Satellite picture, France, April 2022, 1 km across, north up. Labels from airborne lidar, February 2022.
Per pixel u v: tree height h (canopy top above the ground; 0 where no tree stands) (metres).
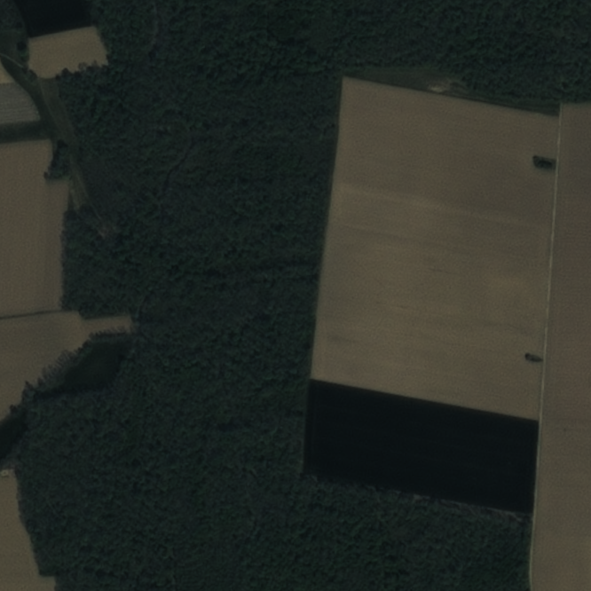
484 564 12
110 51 14
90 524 26
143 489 21
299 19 7
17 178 0
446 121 0
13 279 0
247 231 26
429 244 0
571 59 16
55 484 24
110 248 28
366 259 0
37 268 0
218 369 21
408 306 0
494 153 0
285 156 7
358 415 0
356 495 16
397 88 0
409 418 0
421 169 0
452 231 0
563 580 0
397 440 0
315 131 26
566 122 0
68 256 19
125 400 19
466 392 0
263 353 23
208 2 14
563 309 0
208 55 24
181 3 22
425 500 14
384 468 0
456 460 0
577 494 0
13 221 0
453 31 19
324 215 16
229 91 25
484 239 0
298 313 20
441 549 18
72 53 0
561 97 9
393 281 0
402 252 0
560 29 22
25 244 0
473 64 9
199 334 26
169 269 23
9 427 0
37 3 0
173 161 14
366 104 0
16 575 0
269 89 18
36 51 0
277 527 18
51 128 0
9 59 0
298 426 20
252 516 24
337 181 0
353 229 0
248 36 15
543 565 0
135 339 20
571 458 0
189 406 24
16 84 0
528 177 0
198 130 28
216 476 22
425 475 0
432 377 0
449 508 17
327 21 13
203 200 25
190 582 17
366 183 0
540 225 0
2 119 0
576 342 0
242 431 24
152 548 23
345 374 0
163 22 14
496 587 12
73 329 0
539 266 0
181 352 24
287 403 6
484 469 0
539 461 0
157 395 21
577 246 0
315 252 10
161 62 20
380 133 0
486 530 19
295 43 24
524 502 0
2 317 0
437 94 0
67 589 15
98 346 0
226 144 24
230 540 15
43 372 0
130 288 24
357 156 0
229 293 25
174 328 23
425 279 0
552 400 0
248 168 10
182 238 24
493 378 0
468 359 0
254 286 24
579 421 0
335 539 23
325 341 0
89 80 24
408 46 20
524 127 0
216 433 25
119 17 22
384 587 12
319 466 0
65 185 0
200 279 26
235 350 24
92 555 23
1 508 0
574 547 0
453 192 0
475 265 0
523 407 0
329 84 22
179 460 23
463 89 0
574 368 0
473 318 0
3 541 0
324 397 0
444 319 0
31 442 19
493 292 0
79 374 0
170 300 28
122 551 18
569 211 0
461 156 0
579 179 0
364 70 15
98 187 15
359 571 16
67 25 0
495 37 18
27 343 0
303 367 20
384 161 0
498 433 0
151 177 16
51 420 26
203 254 23
